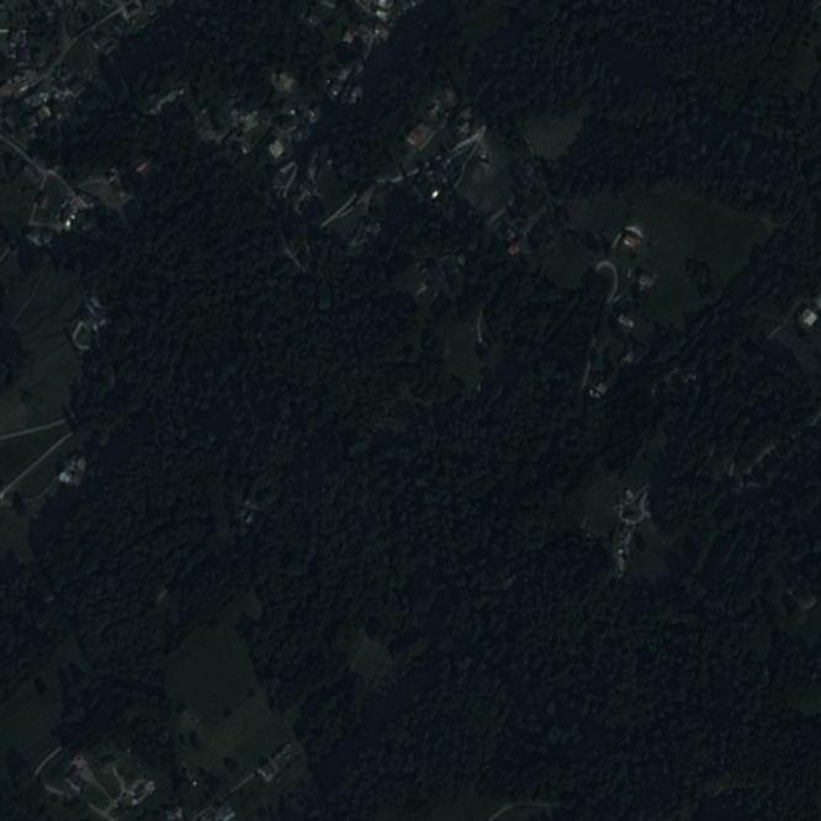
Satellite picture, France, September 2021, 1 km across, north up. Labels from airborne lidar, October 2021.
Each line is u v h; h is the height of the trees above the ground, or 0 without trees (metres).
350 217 0
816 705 0
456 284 18
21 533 0
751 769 18
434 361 16
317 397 17
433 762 31
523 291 25
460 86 0
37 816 16
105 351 16
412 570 19
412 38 6
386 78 22
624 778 28
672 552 0
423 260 0
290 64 10
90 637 20
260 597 17
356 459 11
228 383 15
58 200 0
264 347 20
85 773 0
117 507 23
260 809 0
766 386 31
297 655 21
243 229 22
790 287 33
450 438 20
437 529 21
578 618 16
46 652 21
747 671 23
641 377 17
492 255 28
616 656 23
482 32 0
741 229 0
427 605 30
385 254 21
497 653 20
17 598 16
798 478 8
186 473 21
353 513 17
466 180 0
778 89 16
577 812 20
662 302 0
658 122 20
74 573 23
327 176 0
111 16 0
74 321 0
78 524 28
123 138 23
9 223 0
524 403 24
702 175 28
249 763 0
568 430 20
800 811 21
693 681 26
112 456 0
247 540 12
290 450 16
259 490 17
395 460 12
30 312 0
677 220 0
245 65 15
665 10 8
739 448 22
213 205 31
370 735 9
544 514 17
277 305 26
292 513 23
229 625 0
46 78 0
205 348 7
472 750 21
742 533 16
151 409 18
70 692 19
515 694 18
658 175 18
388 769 29
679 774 25
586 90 28
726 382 20
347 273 16
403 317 23
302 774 0
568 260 0
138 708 21
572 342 7
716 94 34
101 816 0
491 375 0
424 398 30
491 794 22
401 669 8
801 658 15
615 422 12
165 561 22
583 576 6
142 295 21
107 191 0
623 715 21
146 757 13
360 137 22
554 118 16
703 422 18
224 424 16
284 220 10
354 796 27
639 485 0
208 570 14
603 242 0
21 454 0
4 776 0
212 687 0
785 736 23
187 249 22
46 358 0
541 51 21
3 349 0
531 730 38
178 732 0
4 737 0
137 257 26
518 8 16
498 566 9
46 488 0
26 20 0
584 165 19
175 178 26
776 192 25
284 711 19
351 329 19
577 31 27
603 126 17
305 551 23
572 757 24
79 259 13
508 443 19
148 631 23
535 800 14
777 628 19
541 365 29
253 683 0
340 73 8
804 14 18
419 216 8
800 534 22
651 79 28
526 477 23
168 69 21
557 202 19
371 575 21
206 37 23
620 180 13
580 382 24
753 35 22
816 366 0
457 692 26
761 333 0
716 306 10
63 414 0
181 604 10
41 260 16
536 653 10
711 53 31
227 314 9
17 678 21
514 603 18
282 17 23
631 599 21
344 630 23
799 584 22
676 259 0
